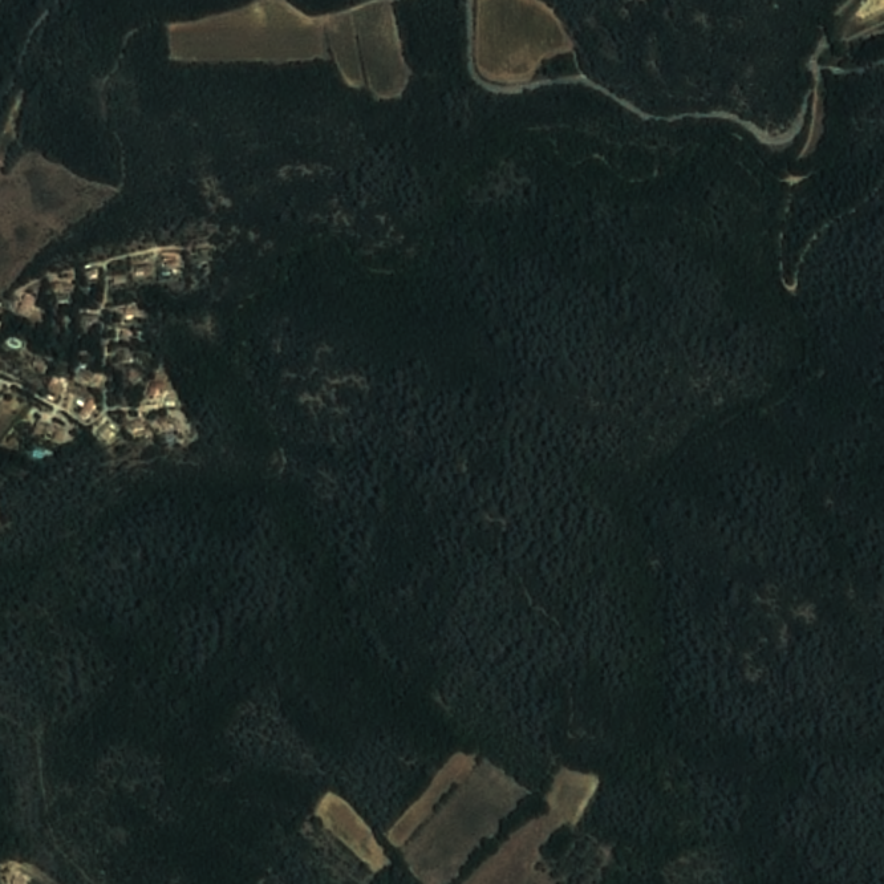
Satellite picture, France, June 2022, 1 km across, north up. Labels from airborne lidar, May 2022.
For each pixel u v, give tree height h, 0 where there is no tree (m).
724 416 7
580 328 16
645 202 6
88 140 6
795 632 6
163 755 7
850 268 15
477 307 7
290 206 22
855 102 12
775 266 7
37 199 0
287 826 8
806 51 15
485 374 7
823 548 14
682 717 17
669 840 7
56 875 8
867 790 14
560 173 7
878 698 19
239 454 6
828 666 16
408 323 7
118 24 6
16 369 6
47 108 6
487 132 9
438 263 5
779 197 6
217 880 9
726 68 9
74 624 8
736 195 7
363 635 6
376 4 0
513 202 10
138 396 11
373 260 7
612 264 11
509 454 20
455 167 6
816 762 16
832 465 8
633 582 7
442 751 8
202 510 20
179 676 8
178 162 6
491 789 0
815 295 9
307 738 13
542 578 16
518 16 0
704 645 20
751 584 6
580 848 11
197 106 7
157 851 9
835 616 7
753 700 13
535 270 17
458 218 10
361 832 0
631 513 11
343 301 6
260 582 19
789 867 6
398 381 13
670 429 7
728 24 6
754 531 10
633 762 10
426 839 0
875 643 8
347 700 8
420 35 6
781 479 17
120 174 5
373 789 18
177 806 8
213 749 15
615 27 8
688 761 9
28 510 9
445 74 6
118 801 8
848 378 7
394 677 5
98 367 13
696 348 18
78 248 11
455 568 9
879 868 18
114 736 8
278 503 8
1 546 19
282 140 6
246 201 7
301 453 7
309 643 12
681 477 6
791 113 6
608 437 16
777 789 8
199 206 6
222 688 11
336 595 14
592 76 7
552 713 20
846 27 0
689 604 7
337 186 6
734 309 9
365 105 7
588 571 21
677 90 6
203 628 14
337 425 7
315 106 6
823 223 11
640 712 7
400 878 18
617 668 18
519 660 22
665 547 6
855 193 11
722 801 18
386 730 7
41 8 23
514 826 10
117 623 19
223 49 0
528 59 0
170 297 10
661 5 6
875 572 6
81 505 13
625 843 9
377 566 14
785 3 9
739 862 8
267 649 20
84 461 23
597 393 5
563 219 7
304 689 9
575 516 23
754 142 8
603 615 20
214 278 7
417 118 6
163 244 6
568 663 16
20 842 12
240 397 8
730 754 7
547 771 9
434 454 13
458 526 9
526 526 23
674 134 8
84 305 9
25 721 8
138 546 14
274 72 7
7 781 7
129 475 7
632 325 9
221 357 8
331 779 12
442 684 10
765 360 15
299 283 6
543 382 6
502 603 18
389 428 8
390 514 7
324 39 0
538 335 17
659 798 9
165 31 6
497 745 6
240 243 6
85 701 17
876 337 7
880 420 6
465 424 8
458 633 15
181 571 16
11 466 10
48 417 0
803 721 16
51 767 5
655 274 19
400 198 20
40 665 15
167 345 16
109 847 6
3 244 0
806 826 20
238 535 8
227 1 7
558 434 24
